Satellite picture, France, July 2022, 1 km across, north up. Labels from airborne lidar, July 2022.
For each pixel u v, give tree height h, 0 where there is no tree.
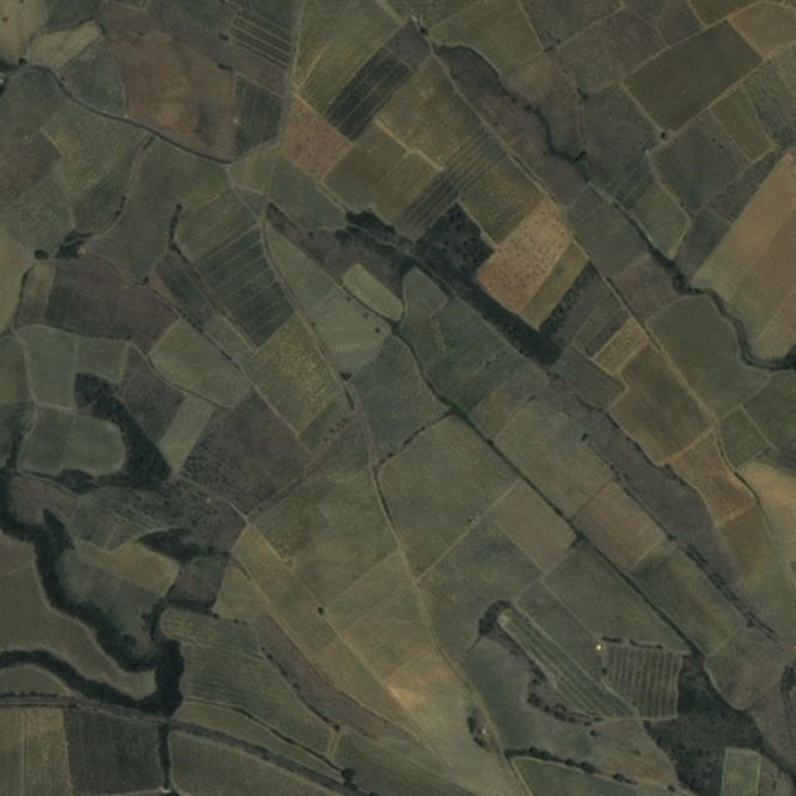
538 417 0
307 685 0
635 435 0
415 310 0
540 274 0
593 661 0
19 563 0
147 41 0
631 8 0
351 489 0
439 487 0
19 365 0
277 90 0
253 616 0
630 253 0
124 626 0
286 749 0
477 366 0
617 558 0
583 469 0
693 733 0
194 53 0
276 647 0
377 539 0
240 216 0
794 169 0
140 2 0
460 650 0
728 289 0
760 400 0
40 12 0
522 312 0
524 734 0
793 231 0
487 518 0
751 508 0
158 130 0
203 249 0
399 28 0
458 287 0
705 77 0
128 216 0
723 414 0
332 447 0
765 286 0
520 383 0
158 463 10
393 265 7
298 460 0
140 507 0
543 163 0
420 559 0
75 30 0
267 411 0
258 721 0
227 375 0
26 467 0
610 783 0
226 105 0
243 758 0
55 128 0
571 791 0
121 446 0
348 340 0
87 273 0
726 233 0
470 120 0
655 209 0
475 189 0
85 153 0
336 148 0
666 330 0
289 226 0
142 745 0
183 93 0
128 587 0
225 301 0
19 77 0
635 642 7
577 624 0
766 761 0
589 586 0
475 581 0
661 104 0
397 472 0
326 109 0
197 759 0
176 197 0
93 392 0
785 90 0
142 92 0
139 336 0
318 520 0
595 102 0
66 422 0
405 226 0
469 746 0
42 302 0
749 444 0
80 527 0
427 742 0
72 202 0
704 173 0
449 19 0
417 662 0
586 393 0
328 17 0
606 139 0
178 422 0
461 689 0
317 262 0
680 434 0
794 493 0
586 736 0
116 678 0
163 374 0
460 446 0
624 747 0
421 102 0
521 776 0
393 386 0
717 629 0
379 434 0
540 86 0
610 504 0
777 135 0
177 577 0
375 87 0
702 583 0
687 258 0
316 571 0
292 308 0
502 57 0
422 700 0
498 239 0
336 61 0
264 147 0
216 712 0
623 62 0
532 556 0
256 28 0
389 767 0
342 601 0
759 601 0
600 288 0
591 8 0
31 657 6
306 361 0
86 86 0
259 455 0
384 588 0
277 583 0
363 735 0
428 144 0
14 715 0
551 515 0
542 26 0
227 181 0
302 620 0
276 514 0
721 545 0
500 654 0
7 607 0
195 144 0
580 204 0
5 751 0
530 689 0
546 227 0
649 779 0
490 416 0
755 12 0
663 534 0
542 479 0
